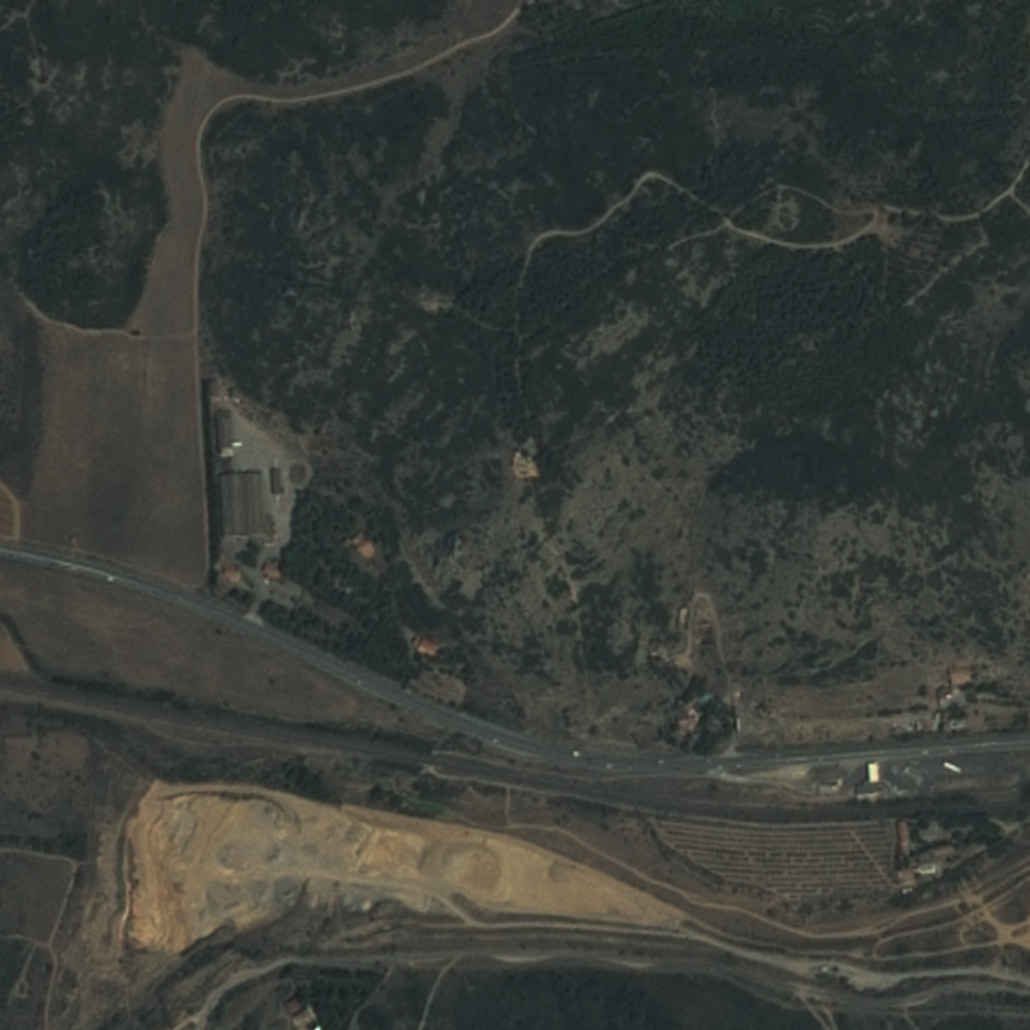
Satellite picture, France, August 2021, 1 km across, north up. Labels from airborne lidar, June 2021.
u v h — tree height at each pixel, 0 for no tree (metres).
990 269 0
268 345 0
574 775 0
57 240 7
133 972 0
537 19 9
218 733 0
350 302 0
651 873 0
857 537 0
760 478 0
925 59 0
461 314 8
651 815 0
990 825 8
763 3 7
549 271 8
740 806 0
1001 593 0
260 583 0
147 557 0
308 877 0
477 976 0
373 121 0
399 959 0
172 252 0
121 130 0
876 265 7
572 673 0
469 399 0
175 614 0
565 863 0
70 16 0
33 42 0
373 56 0
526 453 7
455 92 0
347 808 0
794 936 0
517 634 0
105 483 0
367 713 0
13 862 0
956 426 0
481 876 0
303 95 0
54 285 8
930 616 0
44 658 0
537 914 0
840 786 0
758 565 0
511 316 7
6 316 0
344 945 0
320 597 6
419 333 0
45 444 0
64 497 0
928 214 6
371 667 7
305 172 0
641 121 0
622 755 0
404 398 0
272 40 0
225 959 0
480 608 0
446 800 0
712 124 0
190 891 0
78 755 0
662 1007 0
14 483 0
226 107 0
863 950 0
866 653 0
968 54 0
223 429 0
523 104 0
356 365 0
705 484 0
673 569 0
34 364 0
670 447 0
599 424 0
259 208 0
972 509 0
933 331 0
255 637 0
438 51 0
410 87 0
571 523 0
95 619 0
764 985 0
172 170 0
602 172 0
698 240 0
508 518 0
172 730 0
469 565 0
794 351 7
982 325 0
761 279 12
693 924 0
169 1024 0
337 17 0
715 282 0
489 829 0
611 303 0
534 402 9
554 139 0
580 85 0
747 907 0
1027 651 0
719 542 0
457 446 0
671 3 9
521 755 0
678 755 0
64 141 0
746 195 7
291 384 0
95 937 0
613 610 0
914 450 0
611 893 0
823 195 0
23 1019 0
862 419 0
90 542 0
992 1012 0
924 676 0
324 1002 12
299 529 7
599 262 6
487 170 0
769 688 0
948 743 0
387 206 0
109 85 0
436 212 0
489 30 0
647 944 0
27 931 0
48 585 0
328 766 0
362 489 0
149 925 0
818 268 8
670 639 0
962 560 0
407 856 0
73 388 0
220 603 0
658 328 0
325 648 11
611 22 7
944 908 0
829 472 0
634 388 0
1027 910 0
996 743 0
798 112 0
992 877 0
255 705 0
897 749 0
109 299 0
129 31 0
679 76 0
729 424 0
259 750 0
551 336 8
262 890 0
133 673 0
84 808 0
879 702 0
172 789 0
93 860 0
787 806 0
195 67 0
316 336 0
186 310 0
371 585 17
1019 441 0
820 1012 0
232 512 0
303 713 0
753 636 0
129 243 0
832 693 0
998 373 0
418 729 0
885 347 5
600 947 0
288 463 0
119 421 0
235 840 0
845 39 6
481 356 0
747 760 0
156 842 0
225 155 0
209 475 10
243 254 0
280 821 0
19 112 6
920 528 0
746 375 9
